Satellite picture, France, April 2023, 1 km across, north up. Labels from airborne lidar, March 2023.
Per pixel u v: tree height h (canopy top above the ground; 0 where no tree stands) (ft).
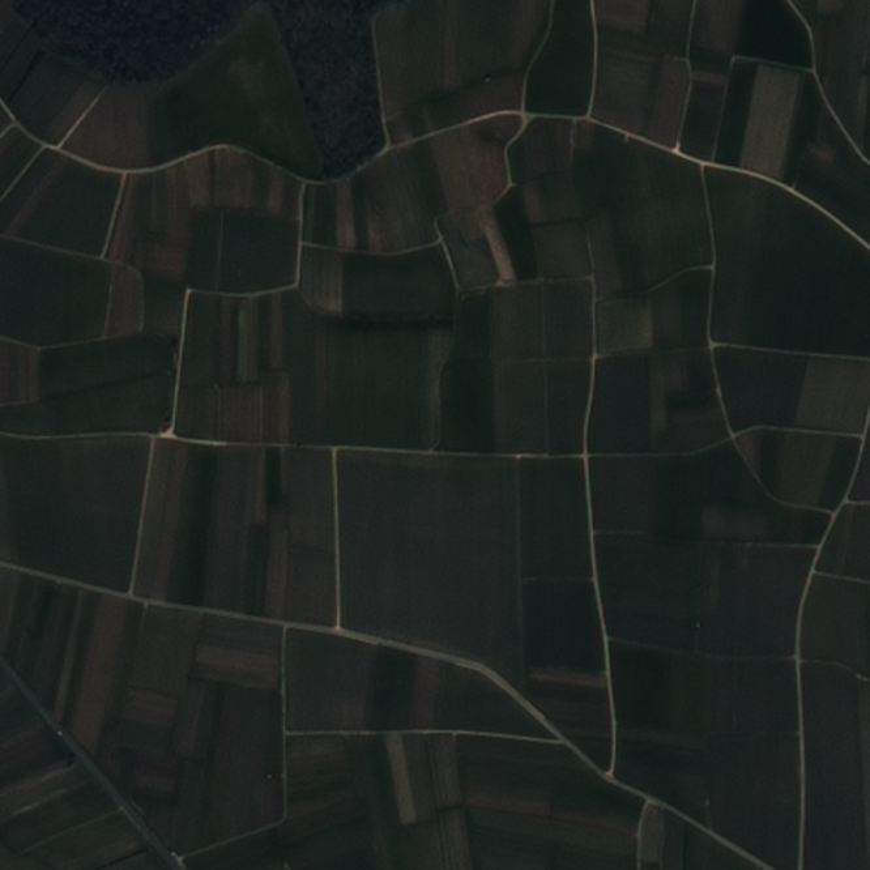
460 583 0
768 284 0
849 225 0
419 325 0
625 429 0
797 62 0
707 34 0
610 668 0
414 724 0
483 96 0
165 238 0
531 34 0
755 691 0
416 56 0
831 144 0
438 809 0
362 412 0
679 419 0
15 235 0
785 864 0
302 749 0
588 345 0
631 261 0
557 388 0
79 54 53
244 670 0
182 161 0
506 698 0
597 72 0
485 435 0
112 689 0
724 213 0
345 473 0
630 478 0
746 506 0
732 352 0
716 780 0
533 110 0
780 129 0
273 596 0
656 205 0
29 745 0
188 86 0
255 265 0
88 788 0
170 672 0
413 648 0
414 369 0
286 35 21
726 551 0
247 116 0
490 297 0
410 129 0
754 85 0
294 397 0
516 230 0
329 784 0
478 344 0
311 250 0
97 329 0
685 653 0
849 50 0
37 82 0
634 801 0
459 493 0
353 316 0
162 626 0
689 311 0
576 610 0
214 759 0
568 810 0
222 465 0
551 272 0
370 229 0
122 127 0
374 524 0
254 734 0
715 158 0
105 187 0
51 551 0
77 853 0
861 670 0
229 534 0
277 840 0
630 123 0
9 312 0
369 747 0
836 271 0
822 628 0
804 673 0
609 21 0
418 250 0
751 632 0
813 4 0
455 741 0
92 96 0
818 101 0
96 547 0
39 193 0
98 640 0
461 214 0
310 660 0
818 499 0
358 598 0
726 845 0
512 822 0
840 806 0
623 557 0
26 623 0
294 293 0
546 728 0
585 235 0
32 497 0
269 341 0
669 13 0
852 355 0
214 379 0
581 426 0
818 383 0
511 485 0
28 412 0
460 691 0
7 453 0
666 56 0
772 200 0
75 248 0
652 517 0
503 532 0
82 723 0
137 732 0
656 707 0
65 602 0
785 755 0
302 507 0
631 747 0
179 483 0
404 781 0
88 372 0
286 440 0
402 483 0
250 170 0
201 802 0
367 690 0
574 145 0
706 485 0
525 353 0
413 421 0
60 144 0
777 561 0
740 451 0
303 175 0
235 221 0
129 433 0
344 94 50
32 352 0
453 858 0
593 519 0
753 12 0
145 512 0
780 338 0
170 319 0
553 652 0
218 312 0
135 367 0
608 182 0
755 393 0
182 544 0
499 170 0
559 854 0
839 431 0
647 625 0
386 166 0
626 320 0
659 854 0
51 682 0
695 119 0
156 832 0
